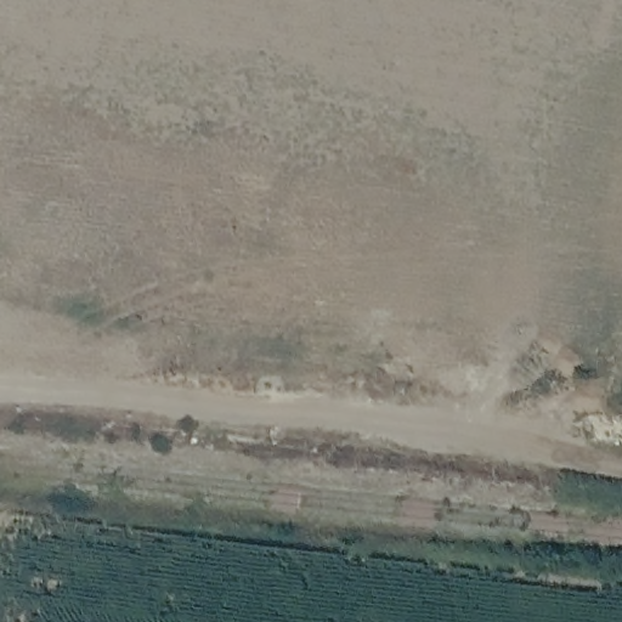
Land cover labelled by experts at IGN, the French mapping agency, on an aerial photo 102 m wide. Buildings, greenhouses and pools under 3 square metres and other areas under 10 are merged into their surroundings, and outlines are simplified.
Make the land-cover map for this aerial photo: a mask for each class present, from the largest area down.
<instances>
[{"label":"agricultural land","instance_id":"1","mask_svg":"<svg viewBox=\"0 0 622 622\"><path fill-rule=\"evenodd\" d=\"M491 362H496L510 369V394L503 396L505 406H518L520 401L549 396L552 381L561 386L564 377L573 372L578 379H593L607 396V413L622 418V0H0V372H63L78 377L80 381H92L100 374L121 381L163 377L165 386H182L187 391L199 386H233L236 391H318L338 398L367 394L369 398H389L398 406H432V398L440 396L464 406L469 391L486 389V381L479 379L476 367H488ZM590 452L598 459L617 457L622 462V442H595L590 447ZM345 552L338 547L156 527L107 518L100 520L83 515H56V527H36L32 532L24 527L19 530L15 542L0 539V622H622V605L615 600H595L593 593L544 590L530 586L493 583L481 578H423L418 573H403L396 566L389 569L386 576H381L379 571L372 573L367 569L343 566L338 556Z\"/></svg>","mask_w":622,"mask_h":622},{"label":"pervious surface","instance_id":"2","mask_svg":"<svg viewBox=\"0 0 622 622\"><path fill-rule=\"evenodd\" d=\"M479 379L486 381V389L469 391L464 406L440 396L432 398V406H398L389 398H369L367 394L338 398L318 391H236L233 386H199L187 391L182 386H165L163 377L121 381L100 374L92 381H80L78 377L63 372H0V406H68L70 413L80 415H87L92 408H129L175 420L194 418L209 423L211 428L270 425L272 445H277V440L287 430L321 428L330 432H357L372 447L396 442L401 447L423 449L425 454H469L484 457L486 462L522 464L527 469L532 464L569 469L605 476L622 474V462L617 457L598 459L590 452V447L595 442H622V418L607 413V396L593 379H578L573 372L564 377L561 386L552 381L549 396L520 401L518 406H505L503 396L510 394V369L496 362H491L488 367H476ZM63 486H73L97 501L129 503L134 498L143 503H170L175 508L190 505L192 498L202 493L204 503L214 508L260 510L279 522H311L316 527L386 525L415 527L440 537L469 539H556L593 542L600 547L622 544V515L612 518L603 520L598 515H576L566 510L496 508L467 501L452 503L449 498L437 501L420 496L326 491L309 488L301 484H272L270 474L253 476L250 471L241 481L177 474L168 476L165 471L151 469H134L129 476H124L119 471H109L104 464L100 467V474H95L83 467V462H75L73 469H58L51 464H39L32 454L0 449V491L53 493Z\"/></svg>","mask_w":622,"mask_h":622},{"label":"herbaceous vegetation","instance_id":"3","mask_svg":"<svg viewBox=\"0 0 622 622\"><path fill-rule=\"evenodd\" d=\"M0 449L32 454L39 464H51L58 469H73L75 462H83V467L95 474H100V467L104 464L109 471H119L124 476H129L134 469H151L165 471L168 476L177 474L241 481L250 471L253 476L270 474L272 484H301L309 488L326 491L420 496L437 501L449 498L452 503L467 501L496 508L566 510L576 515H598L603 520L612 518L593 503L573 505L554 501L552 484L566 479L569 469L532 464L527 469L522 464L486 462L484 457L469 454H425L423 449L401 447L396 442L372 447L357 432H330L321 428L287 430L277 440V445H272L270 425L211 428L209 423L194 418L175 420L129 408H92L87 415H80L70 413L68 406H0ZM56 515H83L100 520L107 518L156 527L338 547L345 552L338 556L343 566L367 569L372 573L379 571L381 576H386L389 569L396 566L403 573H418L423 578H481L493 583L530 586L544 590L593 593L595 600H603V593L598 590L600 578L593 576L539 573L535 569L525 571L522 566L515 571L510 566L486 569L464 561H452L447 571H442L432 561L423 559L425 547H462L484 549L493 554L505 547L510 554L535 556H539L542 552H595L603 556H622V544L600 547L593 542L556 539H469L440 537L415 527L386 525L316 527L311 522H279L260 510L214 508L204 503L202 493L192 498L190 505L175 508L170 503H143L134 498L129 503L97 501L73 486H63L53 493L0 491V539L15 542L19 530L24 527L32 532L36 527H56Z\"/></svg>","mask_w":622,"mask_h":622},{"label":"brushwood","instance_id":"4","mask_svg":"<svg viewBox=\"0 0 622 622\"><path fill-rule=\"evenodd\" d=\"M554 501L573 505L593 503L612 518L622 515V474L605 476L569 469L566 479L552 484ZM423 559L432 561L442 571H447L452 561H464L486 569L510 566L515 571L522 566L525 571L535 569L539 573L593 576L600 578L598 590L603 593V600H615L622 605V556H603L595 552H542L539 556H535L510 554L505 547L493 554L484 549L462 547H425Z\"/></svg>","mask_w":622,"mask_h":622}]
</instances>
